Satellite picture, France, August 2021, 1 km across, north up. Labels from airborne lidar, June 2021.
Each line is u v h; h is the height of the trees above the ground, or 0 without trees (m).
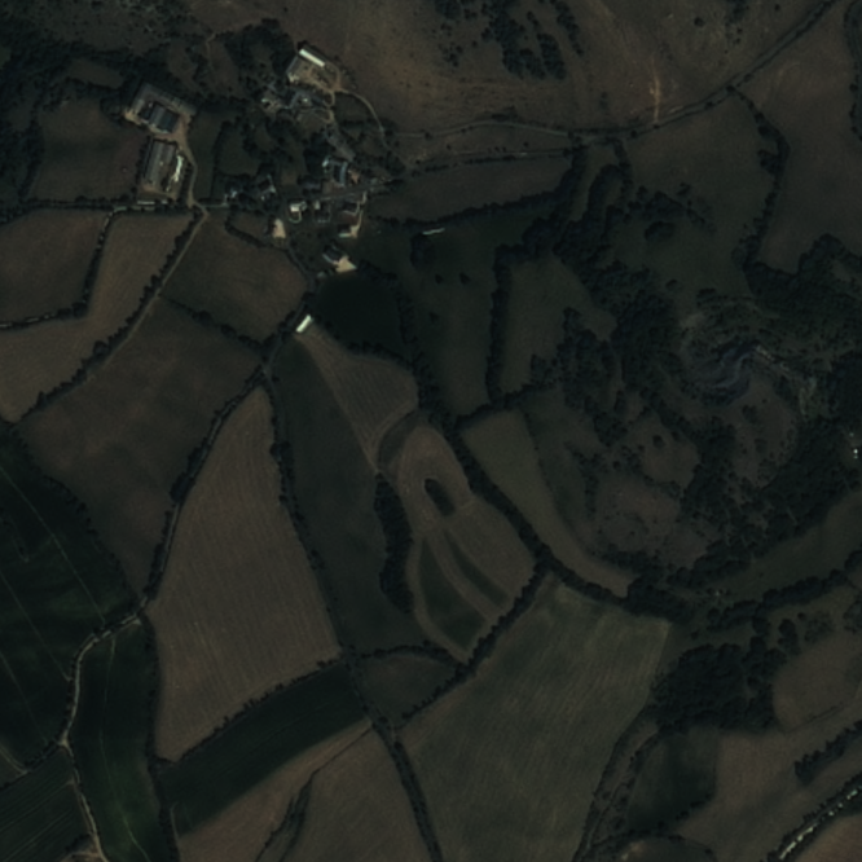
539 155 0
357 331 0
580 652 0
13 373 0
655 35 0
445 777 0
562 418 0
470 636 0
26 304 0
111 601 0
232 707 0
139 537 0
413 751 0
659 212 8
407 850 0
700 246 0
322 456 0
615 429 8
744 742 0
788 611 0
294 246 9
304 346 0
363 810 0
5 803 0
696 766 0
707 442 7
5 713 0
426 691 0
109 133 0
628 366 11
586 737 0
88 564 0
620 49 0
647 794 0
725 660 18
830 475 13
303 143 8
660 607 14
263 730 0
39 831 0
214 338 0
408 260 0
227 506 0
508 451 0
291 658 0
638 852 0
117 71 8
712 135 0
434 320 12
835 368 8
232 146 0
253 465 0
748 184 0
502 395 11
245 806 0
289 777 0
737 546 10
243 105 8
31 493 0
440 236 0
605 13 0
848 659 0
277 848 0
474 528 0
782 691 0
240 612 0
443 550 0
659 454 0
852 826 0
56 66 10
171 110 0
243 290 0
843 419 11
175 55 0
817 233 0
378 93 0
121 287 0
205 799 0
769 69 0
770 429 0
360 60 0
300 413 0
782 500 14
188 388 0
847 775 0
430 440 0
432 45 0
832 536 0
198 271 0
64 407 0
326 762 0
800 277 7
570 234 8
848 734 14
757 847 0
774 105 0
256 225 0
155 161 0
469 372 0
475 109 0
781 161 10
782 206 0
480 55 0
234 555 0
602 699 0
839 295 7
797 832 6
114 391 0
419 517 0
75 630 0
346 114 0
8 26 16
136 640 0
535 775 0
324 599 0
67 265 0
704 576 9
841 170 0
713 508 9
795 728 0
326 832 0
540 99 0
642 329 12
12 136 10
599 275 9
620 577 0
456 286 0
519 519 13
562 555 0
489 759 0
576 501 0
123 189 0
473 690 0
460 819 0
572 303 0
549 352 0
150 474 0
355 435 0
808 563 0
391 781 0
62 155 0
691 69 0
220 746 0
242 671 0
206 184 0
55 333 0
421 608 0
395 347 0
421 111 0
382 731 8
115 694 0
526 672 0
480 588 0
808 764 13
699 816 0
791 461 9
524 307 0
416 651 9
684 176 0
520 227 0
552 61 6
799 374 0
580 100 0
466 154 0
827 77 0
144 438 0
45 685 0
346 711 0
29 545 0
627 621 0
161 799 7
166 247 0
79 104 0
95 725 0
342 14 0
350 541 0
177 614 0
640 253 0
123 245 0
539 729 0
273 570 0
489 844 0
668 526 0
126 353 0
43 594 0
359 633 0
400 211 0
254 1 0
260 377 7
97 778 0
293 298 0
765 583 0
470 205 0
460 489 0
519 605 12
